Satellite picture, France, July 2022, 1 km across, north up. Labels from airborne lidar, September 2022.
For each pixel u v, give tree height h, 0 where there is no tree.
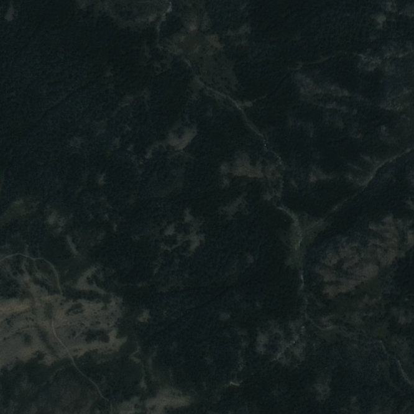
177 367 7
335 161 12
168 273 14
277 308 11
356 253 0
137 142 16
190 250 6
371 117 6
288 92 16
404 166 8
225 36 8
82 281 0
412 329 8
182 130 8
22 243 0
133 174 11
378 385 13
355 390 8
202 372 6
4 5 12
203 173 9
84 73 10
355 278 0
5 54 16
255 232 23
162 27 12
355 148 10
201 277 20
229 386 7
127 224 10
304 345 6
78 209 9
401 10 8
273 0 14
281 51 16
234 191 15
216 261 16
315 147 11
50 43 19
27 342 0
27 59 12
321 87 0
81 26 15
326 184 11
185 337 10
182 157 13
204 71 0
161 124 16
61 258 6
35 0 21
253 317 11
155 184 10
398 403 12
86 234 0
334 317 0
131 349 0
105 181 6
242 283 11
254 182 13
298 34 12
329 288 0
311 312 8
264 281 18
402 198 16
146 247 14
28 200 0
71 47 17
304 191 12
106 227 8
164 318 7
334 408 9
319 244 7
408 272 14
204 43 0
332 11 18
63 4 20
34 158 10
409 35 15
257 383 11
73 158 16
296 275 10
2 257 0
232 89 9
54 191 8
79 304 0
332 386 7
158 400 0
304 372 12
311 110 10
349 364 6
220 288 17
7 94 13
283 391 7
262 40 9
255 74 13
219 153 15
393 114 10
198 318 15
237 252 9
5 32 13
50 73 6
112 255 12
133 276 14
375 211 12
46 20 20
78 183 7
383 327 0
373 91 7
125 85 14
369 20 10
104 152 16
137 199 9
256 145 8
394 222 0
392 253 0
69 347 0
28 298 0
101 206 12
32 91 15
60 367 0
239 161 0
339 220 6
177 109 19
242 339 12
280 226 9
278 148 9
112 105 12
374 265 0
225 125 11
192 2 0
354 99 10
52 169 8
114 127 28
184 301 22
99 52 20
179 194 10
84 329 0
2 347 0
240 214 15
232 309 22
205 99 12
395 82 9
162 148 13
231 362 10
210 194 14
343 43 13
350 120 8
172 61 7
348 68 6
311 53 11
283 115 9
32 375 0
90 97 15
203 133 15
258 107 9
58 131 15
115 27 13
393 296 8
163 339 7
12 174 7
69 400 0
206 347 11
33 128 27
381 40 10
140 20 0
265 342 0
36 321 0
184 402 0
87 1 0
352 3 14
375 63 0
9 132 11
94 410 0
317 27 17
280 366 12
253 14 15
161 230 11
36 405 0
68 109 7
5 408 0
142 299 8
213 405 7
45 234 13
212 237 13
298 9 12
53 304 0
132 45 13
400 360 8
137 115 21
